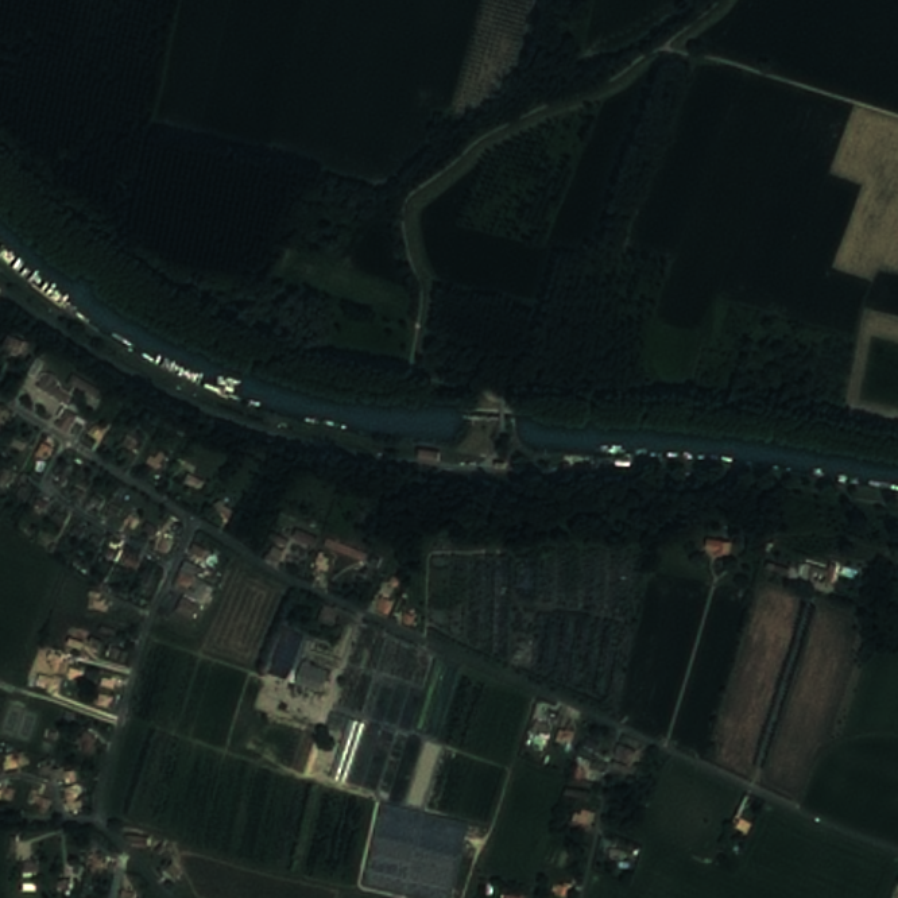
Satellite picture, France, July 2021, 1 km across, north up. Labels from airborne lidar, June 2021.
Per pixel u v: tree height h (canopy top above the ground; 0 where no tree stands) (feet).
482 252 0
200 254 112
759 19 0
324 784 0
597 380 108
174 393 0
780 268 0
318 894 0
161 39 81
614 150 0
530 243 54
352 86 0
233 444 53
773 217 0
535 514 94
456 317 76
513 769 0
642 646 0
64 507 0
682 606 0
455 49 0
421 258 0
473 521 35
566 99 40
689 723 0
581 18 86
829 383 52
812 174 0
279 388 0
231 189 104
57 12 69
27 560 0
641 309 63
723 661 0
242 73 0
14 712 0
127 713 0
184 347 0
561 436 0
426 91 0
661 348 0
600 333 86
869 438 103
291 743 0
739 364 36
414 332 0
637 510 75
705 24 0
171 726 0
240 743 0
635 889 0
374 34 0
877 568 56
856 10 0
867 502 0
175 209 104
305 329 70
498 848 0
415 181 49
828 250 0
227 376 0
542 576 21
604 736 37
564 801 21
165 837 0
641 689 0
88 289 0
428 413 0
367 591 24
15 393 37
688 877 0
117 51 88
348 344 0
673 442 0
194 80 0
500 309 65
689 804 0
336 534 0
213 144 94
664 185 0
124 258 144
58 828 35
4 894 0
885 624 21
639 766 20
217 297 33
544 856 0
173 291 143
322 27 0
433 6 0
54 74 87
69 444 0
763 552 59
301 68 0
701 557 38
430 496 65
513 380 66
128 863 0
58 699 0
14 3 76
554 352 105
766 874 0
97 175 91
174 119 0
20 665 0
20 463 0
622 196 68
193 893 0
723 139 0
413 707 0
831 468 0
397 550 28
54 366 0
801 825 0
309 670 0
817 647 0
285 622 44
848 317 0
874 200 0
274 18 0
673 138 83
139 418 25
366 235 0
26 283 0
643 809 34
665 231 0
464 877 0
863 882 0
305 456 45
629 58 45
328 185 67
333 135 0
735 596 0
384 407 0
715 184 0
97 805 0
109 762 0
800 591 43
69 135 87
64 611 0
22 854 0
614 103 0
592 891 0
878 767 0
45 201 138
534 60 66
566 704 0
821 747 0
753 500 73
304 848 0
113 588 25
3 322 53
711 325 0
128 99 87
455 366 51
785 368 46
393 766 0
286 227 56
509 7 38
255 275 125
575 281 84
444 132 58
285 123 0
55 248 112
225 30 0
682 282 0
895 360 0
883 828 0
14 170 139
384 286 0
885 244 0
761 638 0
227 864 0
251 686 0
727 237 0
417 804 0
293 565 29
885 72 0
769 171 0
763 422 114
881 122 0
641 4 0
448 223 0
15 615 0
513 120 40
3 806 35
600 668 19
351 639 0
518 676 27
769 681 0
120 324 0
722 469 60
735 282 0
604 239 74
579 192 0
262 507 38
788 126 0
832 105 0
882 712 0
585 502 86
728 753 0
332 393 106
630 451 0
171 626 0
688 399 115
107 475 29
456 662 0
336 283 0
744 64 0
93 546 22
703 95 0
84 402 31
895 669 0
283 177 99
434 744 0
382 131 0
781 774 0
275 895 0
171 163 94
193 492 19
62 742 20
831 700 0
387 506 62
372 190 42
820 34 0
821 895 0
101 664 0
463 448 0
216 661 0
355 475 71
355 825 23
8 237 0
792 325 27
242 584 0
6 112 87
